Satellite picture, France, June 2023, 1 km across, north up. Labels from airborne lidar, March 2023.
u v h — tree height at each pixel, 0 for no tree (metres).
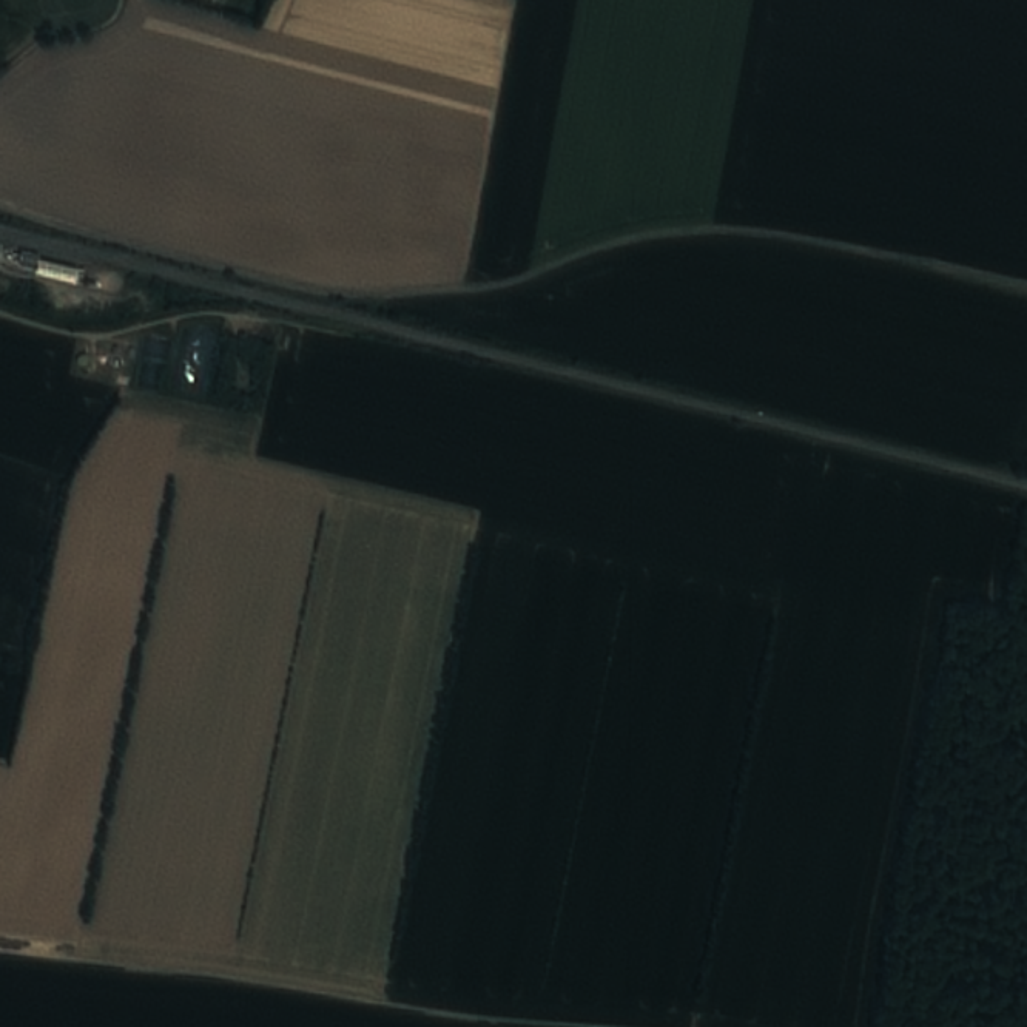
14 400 0
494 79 0
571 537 0
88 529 0
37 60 0
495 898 0
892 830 0
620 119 0
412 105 0
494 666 0
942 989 27
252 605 0
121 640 0
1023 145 0
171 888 0
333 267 0
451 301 0
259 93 0
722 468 0
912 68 0
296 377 0
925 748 16
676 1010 0
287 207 0
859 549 0
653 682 0
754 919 0
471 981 0
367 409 0
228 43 0
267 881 0
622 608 0
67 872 0
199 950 0
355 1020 0
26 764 0
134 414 0
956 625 14
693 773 0
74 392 0
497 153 0
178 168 0
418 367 0
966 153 0
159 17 0
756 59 0
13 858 0
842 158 0
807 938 0
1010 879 16
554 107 0
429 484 0
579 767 0
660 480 0
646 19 0
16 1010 0
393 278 0
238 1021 0
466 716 0
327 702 0
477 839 0
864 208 0
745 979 0
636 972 0
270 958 0
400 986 0
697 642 0
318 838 0
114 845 0
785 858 0
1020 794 19
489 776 0
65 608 0
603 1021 0
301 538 0
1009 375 0
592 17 0
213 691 0
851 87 0
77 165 0
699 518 0
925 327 0
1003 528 0
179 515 0
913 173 0
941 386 0
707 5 0
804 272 0
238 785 0
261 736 0
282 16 0
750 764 10
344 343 0
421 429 0
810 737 0
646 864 0
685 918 0
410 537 0
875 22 0
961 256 0
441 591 0
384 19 0
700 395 0
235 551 0
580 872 0
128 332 0
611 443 0
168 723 0
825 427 0
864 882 0
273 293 0
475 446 0
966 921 28
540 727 0
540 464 0
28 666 11
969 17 0
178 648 0
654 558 0
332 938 0
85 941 0
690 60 0
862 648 0
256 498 0
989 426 0
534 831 0
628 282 0
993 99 0
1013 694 28
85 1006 0
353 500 0
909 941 27
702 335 0
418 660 0
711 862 0
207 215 0
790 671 0
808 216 0
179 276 0
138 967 0
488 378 0
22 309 0
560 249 0
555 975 0
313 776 0
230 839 0
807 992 0
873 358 0
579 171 0
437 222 0
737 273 0
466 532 0
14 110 0
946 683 25
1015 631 24
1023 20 0
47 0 0
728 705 0
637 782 0
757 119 0
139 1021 0
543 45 0
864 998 0
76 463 10
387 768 0
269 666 0
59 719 0
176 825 0
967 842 28
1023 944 9
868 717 0
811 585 0
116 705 0
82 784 0
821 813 0
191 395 0
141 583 0
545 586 0
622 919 0
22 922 0
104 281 0
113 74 0
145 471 0
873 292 0
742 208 0
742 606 0
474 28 0
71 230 0
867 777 0
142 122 0
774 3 0
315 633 0
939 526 0
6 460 0
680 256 0
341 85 0
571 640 0
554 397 0
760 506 0
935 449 0
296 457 0
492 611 0
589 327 0
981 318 0
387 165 0
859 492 0
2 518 0
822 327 0
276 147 0
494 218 0
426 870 0
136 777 0
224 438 0
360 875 0
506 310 0
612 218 0
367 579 0
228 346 7
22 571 0
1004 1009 30
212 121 0
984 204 0
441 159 0
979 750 29
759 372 0
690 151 0
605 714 0
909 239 0
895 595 0
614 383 0
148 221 0
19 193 0
